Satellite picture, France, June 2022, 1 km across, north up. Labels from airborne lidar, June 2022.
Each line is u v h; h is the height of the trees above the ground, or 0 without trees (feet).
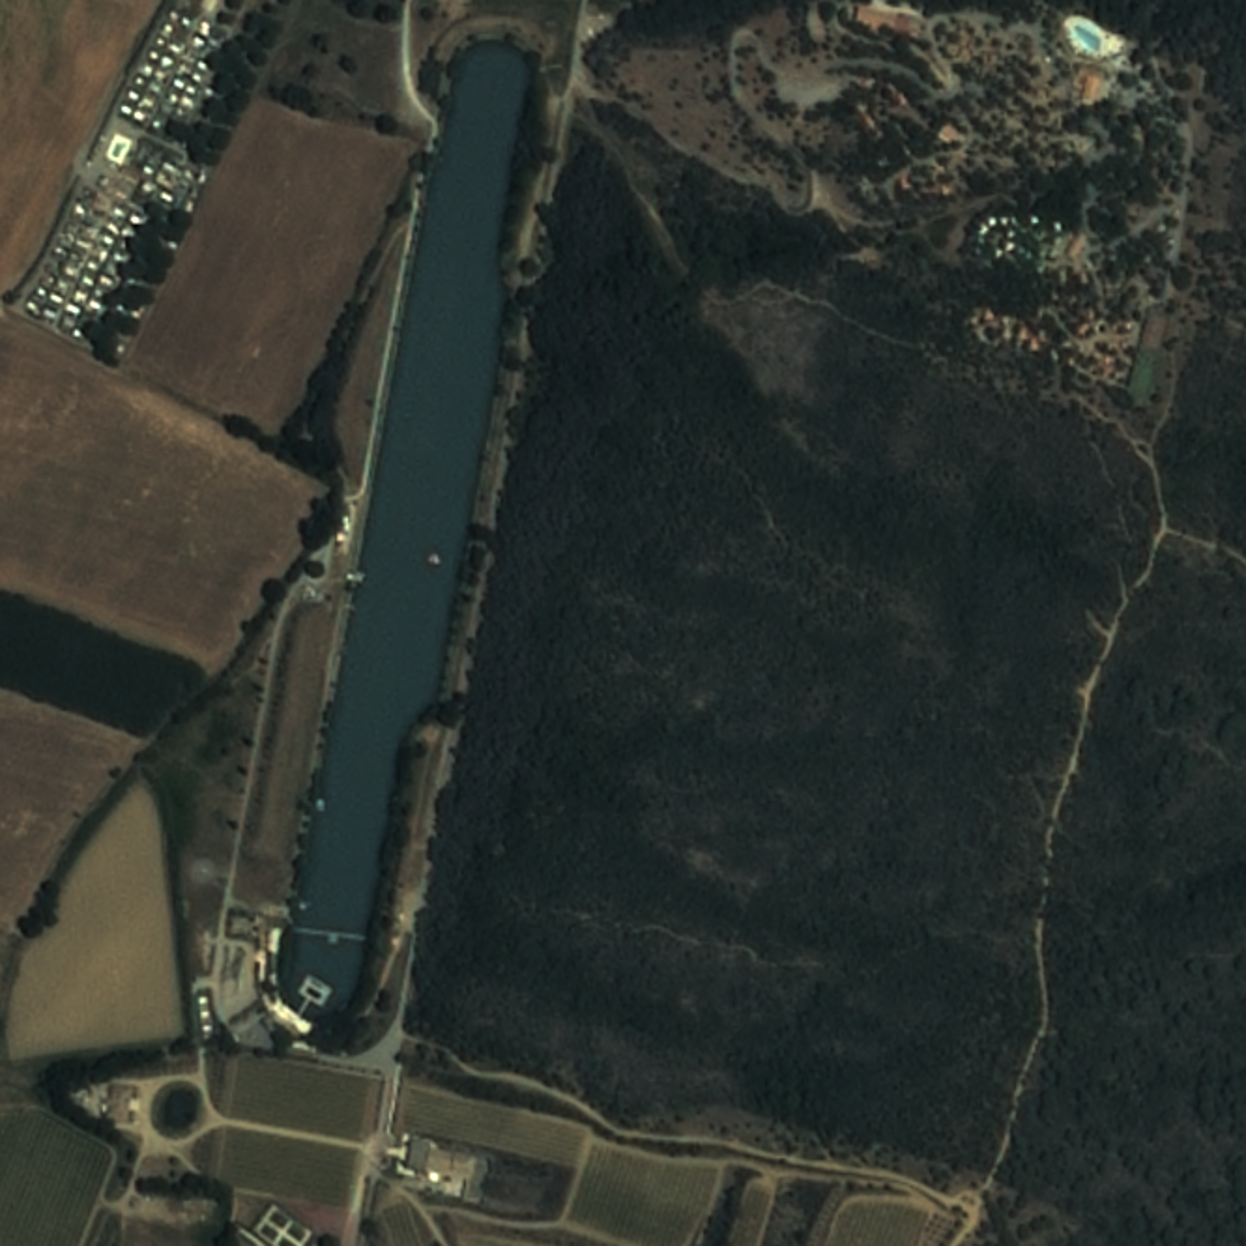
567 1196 0
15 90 0
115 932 0
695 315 30
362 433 0
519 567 37
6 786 0
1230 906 19
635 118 28
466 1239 0
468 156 0
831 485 39
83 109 0
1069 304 21
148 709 58
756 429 29
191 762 0
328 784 0
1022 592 21
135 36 0
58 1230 0
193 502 0
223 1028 25
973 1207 0
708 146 24
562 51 0
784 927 21
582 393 34
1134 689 37
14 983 0
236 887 0
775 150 23
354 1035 33
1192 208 24
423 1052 31
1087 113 33
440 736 0
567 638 26
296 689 0
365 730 0
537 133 35
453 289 0
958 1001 18
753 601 19
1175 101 20
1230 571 22
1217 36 21
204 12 0
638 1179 0
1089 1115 35
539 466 44
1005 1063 20
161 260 51
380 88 0
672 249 0
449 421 0
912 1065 20
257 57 51
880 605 28
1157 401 28
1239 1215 32
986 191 32
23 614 59
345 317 33
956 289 23
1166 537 0
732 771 20
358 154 0
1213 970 32
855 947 27
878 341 23
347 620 0
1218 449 22
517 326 27
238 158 0
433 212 0
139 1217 0
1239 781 17
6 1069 0
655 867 23
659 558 31
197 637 0
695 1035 21
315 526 63
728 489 17
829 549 28
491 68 0
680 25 24
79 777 0
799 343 0
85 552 0
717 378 37
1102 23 36
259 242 0
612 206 28
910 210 24
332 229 0
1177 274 25
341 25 0
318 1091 0
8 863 0
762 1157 0
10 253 0
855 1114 19
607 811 26
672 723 27
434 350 0
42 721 0
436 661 0
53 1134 0
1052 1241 0
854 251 21
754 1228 0
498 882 19
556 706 32
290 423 25
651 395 40
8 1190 0
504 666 42
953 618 20
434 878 26
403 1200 0
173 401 0
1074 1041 30
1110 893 25
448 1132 0
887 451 21
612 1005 29
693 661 19
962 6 29
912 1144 19
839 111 24
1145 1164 24
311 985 0
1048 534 31
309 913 0
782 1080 29
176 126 51
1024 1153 31
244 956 0
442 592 0
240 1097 0
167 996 0
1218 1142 28
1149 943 20
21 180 0
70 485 0
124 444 0
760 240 34
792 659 18
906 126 37
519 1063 23
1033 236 21
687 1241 0
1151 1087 18
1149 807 23
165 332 0
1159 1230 32
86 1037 0
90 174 0
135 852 0
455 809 41
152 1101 0
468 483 0
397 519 0
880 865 25
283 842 0
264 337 0
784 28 0
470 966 22
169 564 0
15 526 0
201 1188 53
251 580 0
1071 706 21
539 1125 0
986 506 18
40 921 49
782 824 18
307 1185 0
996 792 19
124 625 0
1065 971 19
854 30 25
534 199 0
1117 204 30
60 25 0
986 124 21
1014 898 20
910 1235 0
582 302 31
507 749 51
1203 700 29
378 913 20
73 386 0
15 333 0
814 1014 24
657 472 26
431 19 18
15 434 0
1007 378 18
